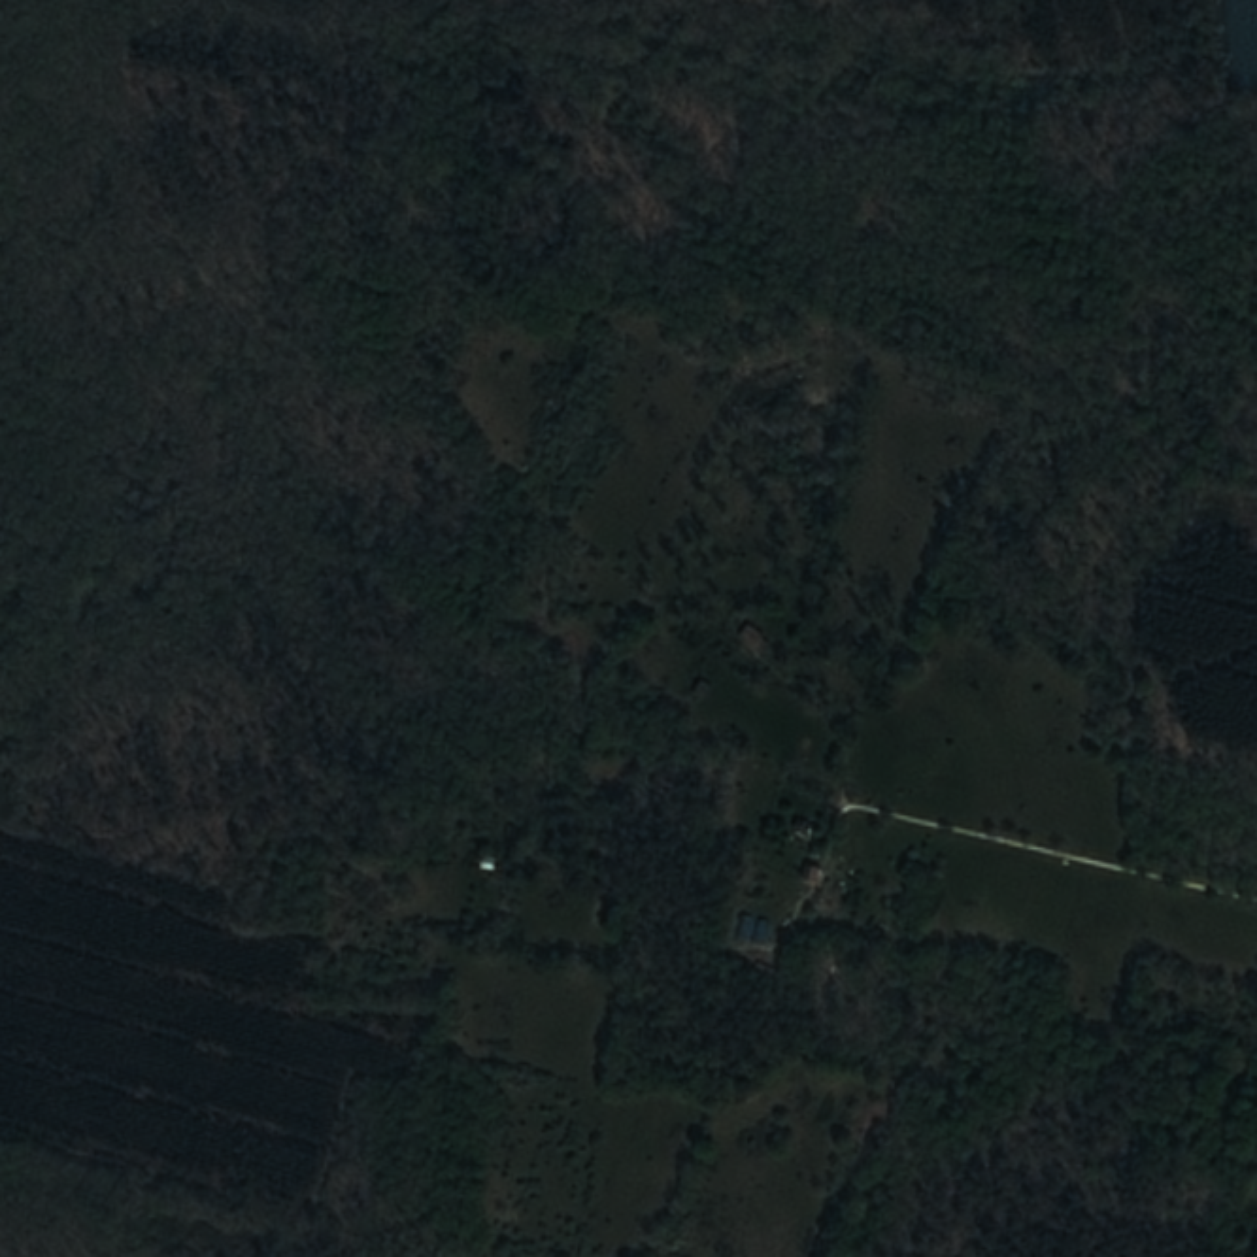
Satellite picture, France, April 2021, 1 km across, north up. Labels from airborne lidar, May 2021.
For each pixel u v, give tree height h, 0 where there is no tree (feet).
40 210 64
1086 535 73
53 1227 64
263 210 35
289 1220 52
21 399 91
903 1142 84
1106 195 47
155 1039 29
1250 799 66
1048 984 77
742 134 27
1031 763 0
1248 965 0
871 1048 52
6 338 75
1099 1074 62
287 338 64
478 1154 41
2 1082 34
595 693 60
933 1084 85
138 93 39
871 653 99
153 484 56
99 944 31
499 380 0
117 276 63
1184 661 62
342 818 52
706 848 71
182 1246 31
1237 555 63
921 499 0
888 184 49
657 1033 59
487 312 27
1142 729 68
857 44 69
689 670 0
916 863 34
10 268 59
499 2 70
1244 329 48
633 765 30
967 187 72
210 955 31
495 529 51
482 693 49
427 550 74
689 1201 62
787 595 72
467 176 68
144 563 98
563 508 18
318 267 48
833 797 37
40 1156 55
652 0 60
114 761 40
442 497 83
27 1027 30
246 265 50
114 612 69
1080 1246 54
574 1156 21
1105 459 59
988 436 0
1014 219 79
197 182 84
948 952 58
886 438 0
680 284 72
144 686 55
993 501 59
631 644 28
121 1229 79
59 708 65
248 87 54
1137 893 0
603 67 66
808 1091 0
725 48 67
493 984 0
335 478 45
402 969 21
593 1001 0
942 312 76
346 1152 18
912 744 0
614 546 0
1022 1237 59
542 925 0
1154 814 46
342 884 37
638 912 76
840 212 57
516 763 75
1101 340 74
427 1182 73
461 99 84
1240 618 61
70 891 34
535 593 23
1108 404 63
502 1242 27
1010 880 0
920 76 42
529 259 78
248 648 43
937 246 53
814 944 70
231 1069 26
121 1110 31
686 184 66
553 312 71
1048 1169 40
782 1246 0
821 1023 83
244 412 92
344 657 84
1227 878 54
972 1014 61
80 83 68
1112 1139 72
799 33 66
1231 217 65
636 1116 0
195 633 53
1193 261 52
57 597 95
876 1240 47
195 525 56
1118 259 74
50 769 53
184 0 75
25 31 62
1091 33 22
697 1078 73
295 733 75
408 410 49
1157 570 29
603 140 42
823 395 0
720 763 56
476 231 61
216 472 70
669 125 52
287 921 36
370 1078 34
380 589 65
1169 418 60
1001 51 60
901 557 0
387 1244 58
